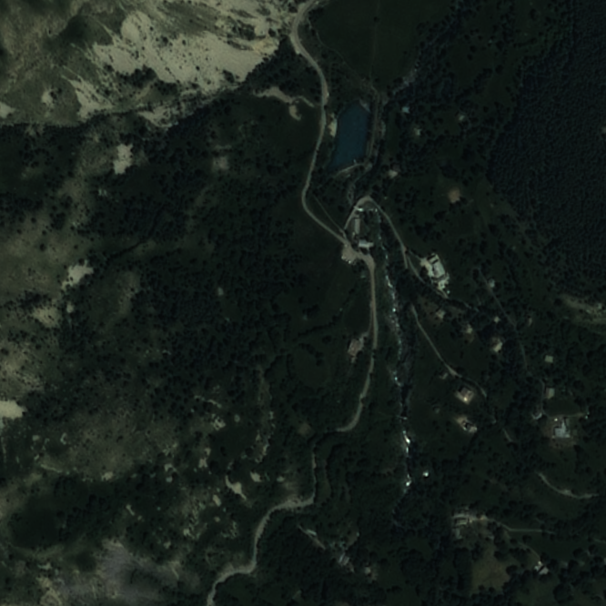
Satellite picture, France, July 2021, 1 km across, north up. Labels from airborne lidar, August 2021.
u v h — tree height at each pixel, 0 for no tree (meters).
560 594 17
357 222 0
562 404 0
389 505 14
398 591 13
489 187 0
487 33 0
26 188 0
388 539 20
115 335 0
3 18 0
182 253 15
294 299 0
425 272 10
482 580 0
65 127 8
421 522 12
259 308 13
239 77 0
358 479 21
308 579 21
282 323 14
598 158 17
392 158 8
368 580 6
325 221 0
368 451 7
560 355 22
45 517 0
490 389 8
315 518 13
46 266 0
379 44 0
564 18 12
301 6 0
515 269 22
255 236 12
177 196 13
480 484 0
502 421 14
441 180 0
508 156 16
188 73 0
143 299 12
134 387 0
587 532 9
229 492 6
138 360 0
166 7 0
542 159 20
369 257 0
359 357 11
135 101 0
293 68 10
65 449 0
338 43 0
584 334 15
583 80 17
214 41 0
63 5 0
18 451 0
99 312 0
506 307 9
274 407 12
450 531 7
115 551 0
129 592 0
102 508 8
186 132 21
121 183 10
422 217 0
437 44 7
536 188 20
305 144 0
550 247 14
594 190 21
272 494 11
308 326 0
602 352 9
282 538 13
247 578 9
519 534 0
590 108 26
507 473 9
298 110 0
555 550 0
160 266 12
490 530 11
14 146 0
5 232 0
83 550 0
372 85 0
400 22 0
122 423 0
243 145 10
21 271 0
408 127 21
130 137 19
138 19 0
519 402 12
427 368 0
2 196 9
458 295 0
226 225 13
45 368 0
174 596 10
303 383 8
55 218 12
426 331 0
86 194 0
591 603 0
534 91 22
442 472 13
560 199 15
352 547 12
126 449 0
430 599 21
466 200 19
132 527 9
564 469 0
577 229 15
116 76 0
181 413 11
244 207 11
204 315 16
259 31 0
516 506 14
